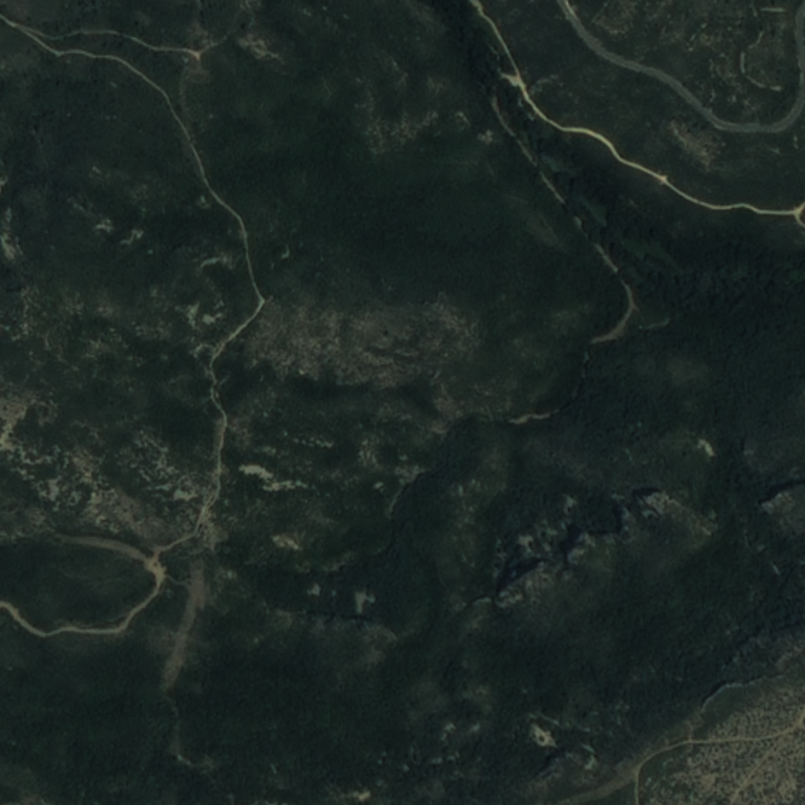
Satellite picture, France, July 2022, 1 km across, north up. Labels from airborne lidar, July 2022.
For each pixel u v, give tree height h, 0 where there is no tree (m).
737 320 9
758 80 0
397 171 5
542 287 6
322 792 6
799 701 0
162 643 0
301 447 6
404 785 6
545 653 8
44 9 0
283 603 9
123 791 6
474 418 11
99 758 7
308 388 6
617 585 7
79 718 6
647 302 6
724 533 9
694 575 6
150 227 8
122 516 0
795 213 0
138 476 0
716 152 0
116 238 6
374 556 9
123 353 5
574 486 9
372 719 6
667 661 8
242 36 0
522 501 8
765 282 19
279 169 6
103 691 9
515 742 7
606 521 11
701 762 0
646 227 10
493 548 6
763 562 9
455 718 7
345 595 8
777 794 0
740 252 14
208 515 0
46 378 0
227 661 9
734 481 10
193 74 0
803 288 16
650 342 6
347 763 10
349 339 0
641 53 0
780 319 14
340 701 10
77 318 7
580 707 7
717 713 0
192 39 0
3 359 0
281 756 7
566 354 6
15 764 6
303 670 6
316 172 7
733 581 9
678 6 0
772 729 0
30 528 0
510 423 7
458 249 6
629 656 6
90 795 7
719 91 0
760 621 7
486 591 6
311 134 6
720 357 6
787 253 7
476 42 12
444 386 0
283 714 8
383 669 6
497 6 0
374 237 8
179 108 7
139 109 0
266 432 7
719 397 10
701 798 0
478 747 8
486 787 6
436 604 9
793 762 0
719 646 7
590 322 8
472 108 7
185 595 0
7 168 7
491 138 9
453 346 0
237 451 6
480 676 5
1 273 6
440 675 9
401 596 5
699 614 7
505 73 13
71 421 0
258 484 8
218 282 7
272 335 0
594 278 6
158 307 0
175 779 7
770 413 8
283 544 0
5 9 8
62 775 7
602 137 0
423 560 8
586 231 12
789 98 9
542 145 20
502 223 6
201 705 7
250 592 7
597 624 6
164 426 6
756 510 7
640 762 0
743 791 0
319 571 8
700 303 30
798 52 0
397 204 6
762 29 9
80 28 7
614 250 21
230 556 10
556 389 7
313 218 8
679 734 0
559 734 8
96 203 9
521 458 6
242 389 7
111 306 0
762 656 6
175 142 6
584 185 22
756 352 7
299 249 6
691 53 0
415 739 6
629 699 8
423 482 8
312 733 7
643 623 7
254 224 6
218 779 6
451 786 7
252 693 6
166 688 0
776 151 0
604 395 7
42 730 6
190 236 6
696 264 18
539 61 0
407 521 8
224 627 6
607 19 0
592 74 0
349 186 9
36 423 0
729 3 8
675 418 7
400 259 7
